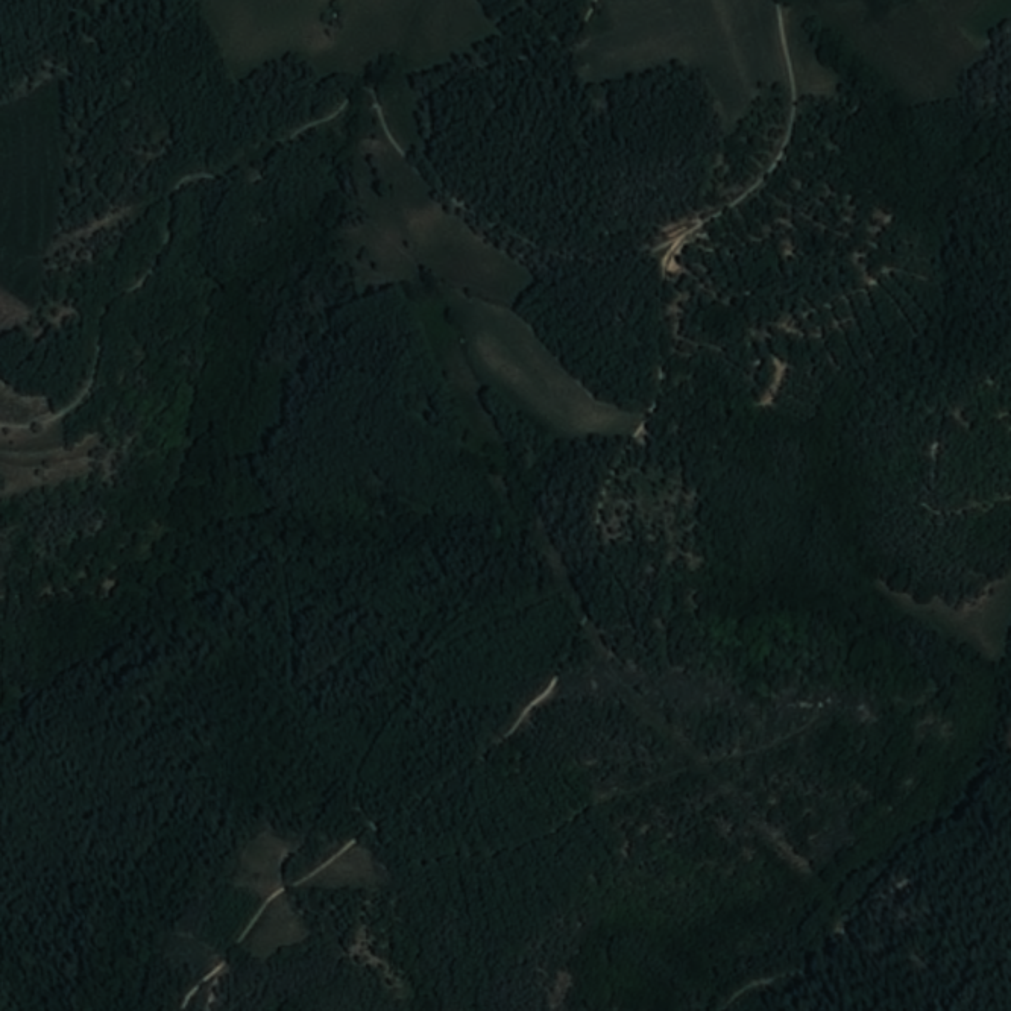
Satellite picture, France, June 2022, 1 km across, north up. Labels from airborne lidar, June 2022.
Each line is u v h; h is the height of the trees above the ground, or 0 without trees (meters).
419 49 0
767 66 0
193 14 22
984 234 17
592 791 13
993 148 17
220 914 9
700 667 9
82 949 27
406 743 14
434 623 12
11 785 19
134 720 25
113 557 22
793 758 7
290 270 21
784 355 24
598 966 13
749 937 22
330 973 22
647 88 25
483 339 0
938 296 19
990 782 22
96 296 18
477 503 15
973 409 13
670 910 12
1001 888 22
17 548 9
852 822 7
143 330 20
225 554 27
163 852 13
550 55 26
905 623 28
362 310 29
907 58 0
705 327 19
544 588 17
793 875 16
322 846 10
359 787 11
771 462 21
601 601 21
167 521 14
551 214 18
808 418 14
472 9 0
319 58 0
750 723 13
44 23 24
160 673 36
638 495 19
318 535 27
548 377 0
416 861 22
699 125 22
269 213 19
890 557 14
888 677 17
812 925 33
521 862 23
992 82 20
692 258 23
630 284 29
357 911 21
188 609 27
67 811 23
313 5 0
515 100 23
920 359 29
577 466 20
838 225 21
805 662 17
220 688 8
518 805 19
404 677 11
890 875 24
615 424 0
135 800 24
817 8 0
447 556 16
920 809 6
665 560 18
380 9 0
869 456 17
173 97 18
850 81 11
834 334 17
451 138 23
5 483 14
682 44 0
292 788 6
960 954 14
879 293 17
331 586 13
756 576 14
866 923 18
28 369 27
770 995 6
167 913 15
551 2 19
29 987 25
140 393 16
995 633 0
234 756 9
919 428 9
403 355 25
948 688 26
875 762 18
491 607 6
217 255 28
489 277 0
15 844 22
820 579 31
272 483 25
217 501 21
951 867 25
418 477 27
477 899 19
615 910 12
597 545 13
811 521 23
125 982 7
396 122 0
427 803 16
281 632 12
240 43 0
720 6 0
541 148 22
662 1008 17
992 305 19
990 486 18
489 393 23
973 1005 15
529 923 24
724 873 11
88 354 23
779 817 15
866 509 17
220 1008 6
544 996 13
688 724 6
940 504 17
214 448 32
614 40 0
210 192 25
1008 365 13
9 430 9
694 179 17
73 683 28
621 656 20
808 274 26
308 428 29
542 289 21
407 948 16
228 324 18
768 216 10
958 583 18
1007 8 0
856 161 12
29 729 20
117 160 22
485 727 19
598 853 22
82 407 11
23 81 21
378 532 31
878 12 0
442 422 22
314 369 32
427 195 0
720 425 28
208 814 21
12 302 0
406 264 0
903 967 18
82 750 20
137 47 20
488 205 14
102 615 19
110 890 11
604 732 16
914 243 18
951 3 0
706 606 16
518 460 12
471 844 18
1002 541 17
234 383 20
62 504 8
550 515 19
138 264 10
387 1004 21
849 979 28
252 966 16
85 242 18
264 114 26
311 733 9
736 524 30
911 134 17
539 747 17
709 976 8
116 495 13
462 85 22
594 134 19
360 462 23
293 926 0
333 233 15
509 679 12
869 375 28
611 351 16
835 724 8
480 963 23
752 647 17
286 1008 16
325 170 28
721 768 11
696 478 19
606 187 20
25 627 21
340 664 8
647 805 12
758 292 24
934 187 17
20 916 24
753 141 13
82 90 22
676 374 19
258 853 0
